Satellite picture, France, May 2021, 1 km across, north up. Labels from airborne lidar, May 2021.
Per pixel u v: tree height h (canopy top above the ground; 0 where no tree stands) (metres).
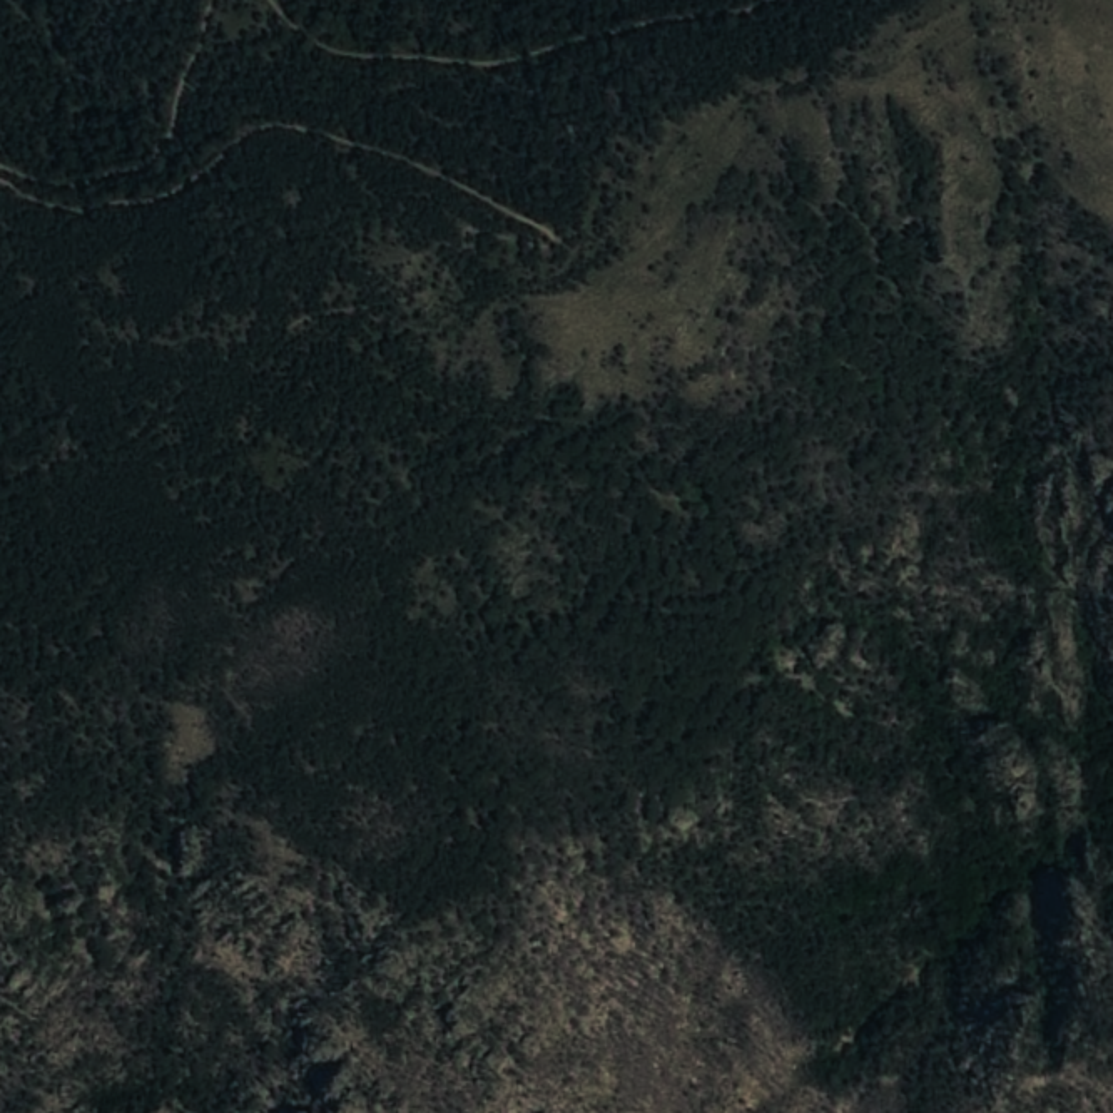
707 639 32
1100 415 13
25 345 15
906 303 7
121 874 8
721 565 26
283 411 14
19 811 12
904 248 28
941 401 27
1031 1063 16
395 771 23
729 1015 13
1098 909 7
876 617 14
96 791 18
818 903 21
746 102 8
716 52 18
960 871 12
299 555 17
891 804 16
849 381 27
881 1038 20
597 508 25
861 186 24
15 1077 16
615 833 17
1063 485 16
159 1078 11
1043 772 19
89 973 20
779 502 24
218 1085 12
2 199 15
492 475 22
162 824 29
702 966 13
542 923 15
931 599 20
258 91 15
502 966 9
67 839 14
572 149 21
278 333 12
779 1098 11
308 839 20
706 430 14
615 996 14
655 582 34
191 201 14
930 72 14
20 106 19
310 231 12
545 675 23
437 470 23
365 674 18
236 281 11
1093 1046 12
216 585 14
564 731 27
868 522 19
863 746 20
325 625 14
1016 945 11
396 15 17
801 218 24
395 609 17
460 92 16
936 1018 8
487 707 27
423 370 15
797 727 10
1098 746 17
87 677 24
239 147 12
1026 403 14
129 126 27
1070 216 14
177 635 17
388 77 16
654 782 26
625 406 15
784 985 20
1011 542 15
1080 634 15
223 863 20
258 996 9
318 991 14
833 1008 21
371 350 19
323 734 12
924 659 18
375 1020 11
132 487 16
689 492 18
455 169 18
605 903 22
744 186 15
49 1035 9
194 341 7
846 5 9
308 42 26
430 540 18
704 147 0
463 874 27
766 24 14
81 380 16
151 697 23
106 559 17
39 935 6
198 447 13
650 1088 13
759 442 22
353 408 12
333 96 18
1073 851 8
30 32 16
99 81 17
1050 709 7
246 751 20
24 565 18
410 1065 12
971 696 10
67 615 24
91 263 18
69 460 17
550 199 18
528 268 11
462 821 27
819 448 23
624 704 26
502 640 30
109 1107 10
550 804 30
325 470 15
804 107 0
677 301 0
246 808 15
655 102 17
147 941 12
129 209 12
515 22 21
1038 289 24
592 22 22
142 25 15
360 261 6
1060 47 0
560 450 28
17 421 19
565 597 20
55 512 20
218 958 15
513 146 14
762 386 15
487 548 24
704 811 8
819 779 25
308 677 13
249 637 12
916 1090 18
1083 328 13
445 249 12
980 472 11
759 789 17
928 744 21
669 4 20
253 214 21
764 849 23
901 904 6
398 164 17
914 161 22
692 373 14
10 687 20
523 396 16
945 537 12
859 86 0
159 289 14
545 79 18
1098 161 0
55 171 19
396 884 17
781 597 24
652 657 24
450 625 17
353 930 11
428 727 26
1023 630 7
